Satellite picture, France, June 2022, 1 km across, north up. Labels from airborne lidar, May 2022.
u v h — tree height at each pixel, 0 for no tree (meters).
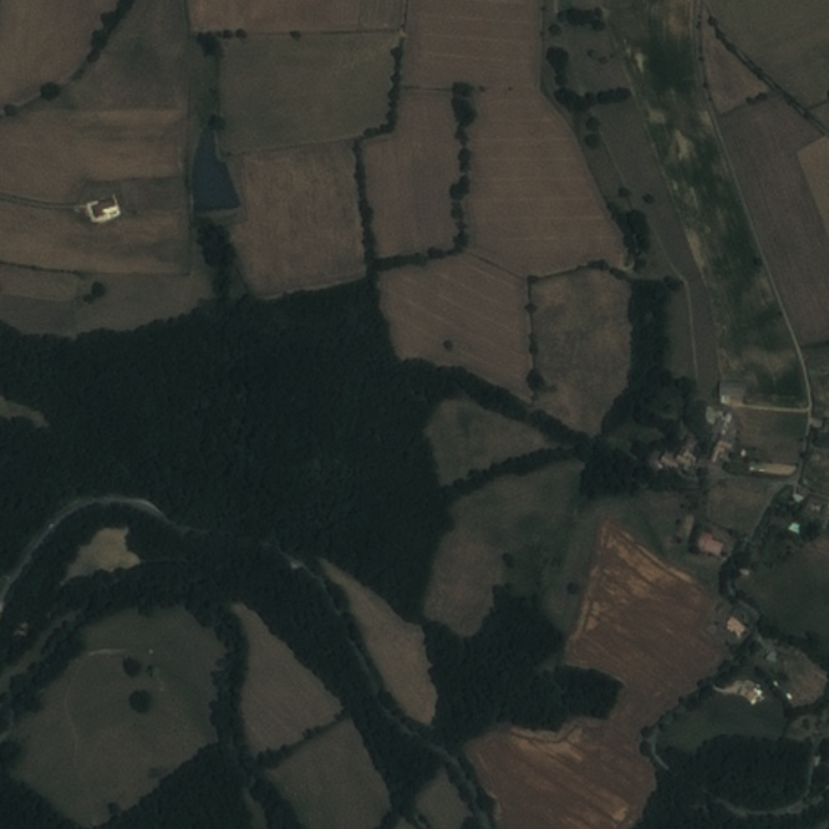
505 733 0
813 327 0
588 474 17
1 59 0
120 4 10
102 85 0
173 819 18
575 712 13
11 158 0
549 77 0
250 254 0
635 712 0
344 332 11
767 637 16
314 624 22
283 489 16
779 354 0
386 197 0
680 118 0
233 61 0
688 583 0
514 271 0
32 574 15
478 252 0
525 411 8
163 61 0
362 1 0
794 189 0
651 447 7
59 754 0
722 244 0
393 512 19
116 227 0
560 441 7
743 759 25
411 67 0
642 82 0
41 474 21
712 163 0
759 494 0
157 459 17
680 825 18
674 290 12
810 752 8
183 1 0
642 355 10
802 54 0
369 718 21
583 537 0
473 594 0
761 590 0
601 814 0
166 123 0
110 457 13
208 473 12
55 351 17
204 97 0
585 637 0
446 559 0
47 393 18
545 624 18
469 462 0
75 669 0
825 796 12
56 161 0
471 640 12
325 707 0
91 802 0
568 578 0
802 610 0
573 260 0
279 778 0
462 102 10
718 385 0
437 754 14
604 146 0
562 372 0
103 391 21
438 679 15
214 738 0
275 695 0
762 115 0
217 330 16
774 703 0
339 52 0
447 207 0
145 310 0
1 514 17
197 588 22
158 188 0
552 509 0
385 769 16
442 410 0
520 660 17
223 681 22
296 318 7
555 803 0
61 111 0
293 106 0
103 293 10
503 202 0
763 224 0
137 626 0
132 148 0
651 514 0
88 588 22
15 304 0
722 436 0
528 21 0
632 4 0
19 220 0
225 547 24
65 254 0
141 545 23
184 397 16
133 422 14
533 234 0
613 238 0
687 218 0
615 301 0
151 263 0
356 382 14
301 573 20
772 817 14
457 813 0
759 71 10
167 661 0
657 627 0
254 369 21
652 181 0
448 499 21
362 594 0
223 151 0
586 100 14
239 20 0
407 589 17
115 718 0
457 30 0
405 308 0
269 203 0
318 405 18
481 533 0
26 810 17
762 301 0
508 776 0
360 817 0
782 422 0
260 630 0
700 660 0
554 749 0
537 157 0
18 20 0
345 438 11
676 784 19
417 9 0
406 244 0
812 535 10
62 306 0
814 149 0
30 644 19
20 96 0
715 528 0
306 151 0
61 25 0
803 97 0
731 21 0
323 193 0
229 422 21
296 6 0
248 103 0
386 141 0
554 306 0
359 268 0
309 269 0
